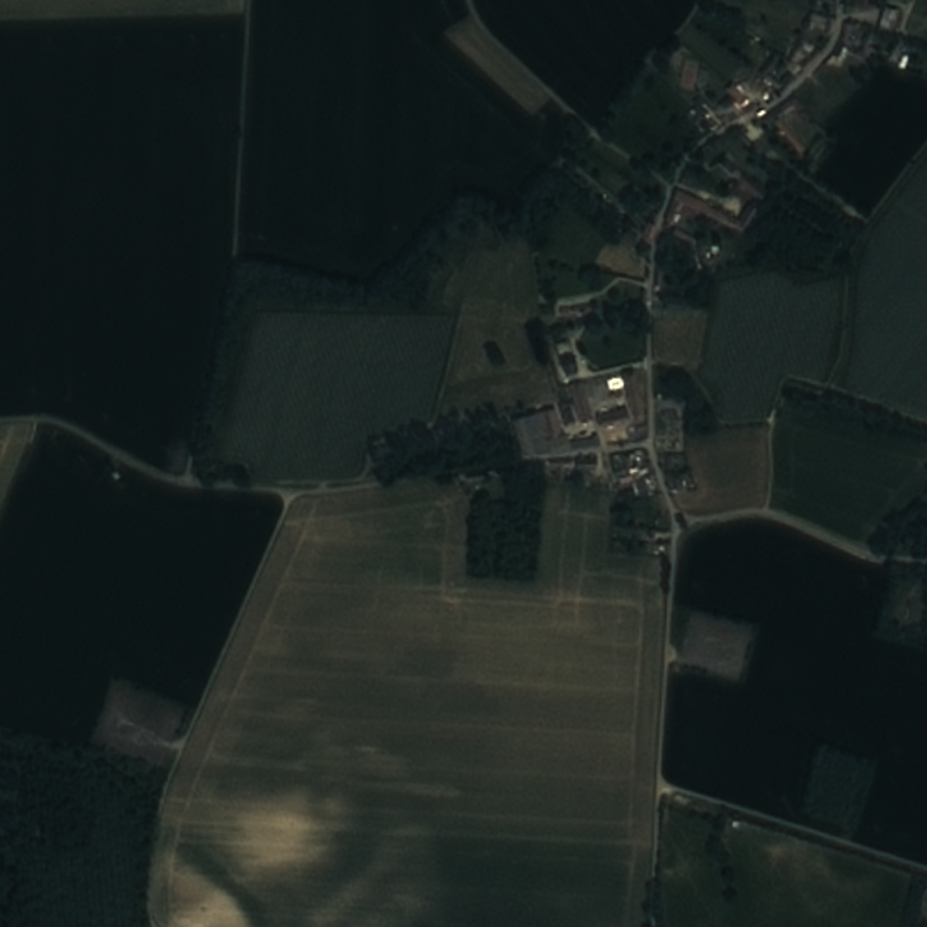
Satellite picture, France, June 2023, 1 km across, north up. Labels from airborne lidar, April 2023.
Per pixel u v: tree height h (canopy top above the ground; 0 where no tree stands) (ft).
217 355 61
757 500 0
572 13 0
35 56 0
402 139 0
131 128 0
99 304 0
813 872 0
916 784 0
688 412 43
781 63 25
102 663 0
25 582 0
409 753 0
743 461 0
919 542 69
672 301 0
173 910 0
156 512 0
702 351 0
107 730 0
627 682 0
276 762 0
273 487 0
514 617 0
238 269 62
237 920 0
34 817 42
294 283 90
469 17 0
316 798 0
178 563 0
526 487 36
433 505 0
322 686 0
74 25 0
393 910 0
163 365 0
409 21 0
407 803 0
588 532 0
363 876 0
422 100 0
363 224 0
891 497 0
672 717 0
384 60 0
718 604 0
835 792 47
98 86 0
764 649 0
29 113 0
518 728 0
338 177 0
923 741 0
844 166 0
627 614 0
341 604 0
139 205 0
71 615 0
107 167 0
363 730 0
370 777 0
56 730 0
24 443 0
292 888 0
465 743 0
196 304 0
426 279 79
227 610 0
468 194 53
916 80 0
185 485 0
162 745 0
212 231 0
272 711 0
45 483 0
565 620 0
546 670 0
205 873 0
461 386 0
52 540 0
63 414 0
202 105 0
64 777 27
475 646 0
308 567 0
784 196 22
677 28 0
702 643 0
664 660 0
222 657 0
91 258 0
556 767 0
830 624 0
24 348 0
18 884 54
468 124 0
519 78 0
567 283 0
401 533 0
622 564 0
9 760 55
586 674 0
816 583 0
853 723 0
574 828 0
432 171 0
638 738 0
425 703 0
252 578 0
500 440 77
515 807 0
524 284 0
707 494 0
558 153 0
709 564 0
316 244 0
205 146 0
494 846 0
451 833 0
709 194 0
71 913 53
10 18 0
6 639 0
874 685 0
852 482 0
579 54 0
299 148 0
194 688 0
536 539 34
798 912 0
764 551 0
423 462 80
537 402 76
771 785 0
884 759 0
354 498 0
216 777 0
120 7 0
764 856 0
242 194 0
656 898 37
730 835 0
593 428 0
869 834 0
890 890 0
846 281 0
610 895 0
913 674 0
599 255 0
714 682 0
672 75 0
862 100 0
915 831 0
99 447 0
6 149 0
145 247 0
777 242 58
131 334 0
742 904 0
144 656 0
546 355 32
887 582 19
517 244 0
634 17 0
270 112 0
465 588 0
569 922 0
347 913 0
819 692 0
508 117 0
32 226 0
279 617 0
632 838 0
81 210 0
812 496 0
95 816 48
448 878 0
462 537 0
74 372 0
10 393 0
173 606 0
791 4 0
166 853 0
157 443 0
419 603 0
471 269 0
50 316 0
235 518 0
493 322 0
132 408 0
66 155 0
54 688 0
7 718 0
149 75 0
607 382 0
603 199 38
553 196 42
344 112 0
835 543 0
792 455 0
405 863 0
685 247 55
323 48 0
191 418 0
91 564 0
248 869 0
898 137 0
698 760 0
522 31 0
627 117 0
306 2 0
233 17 0
